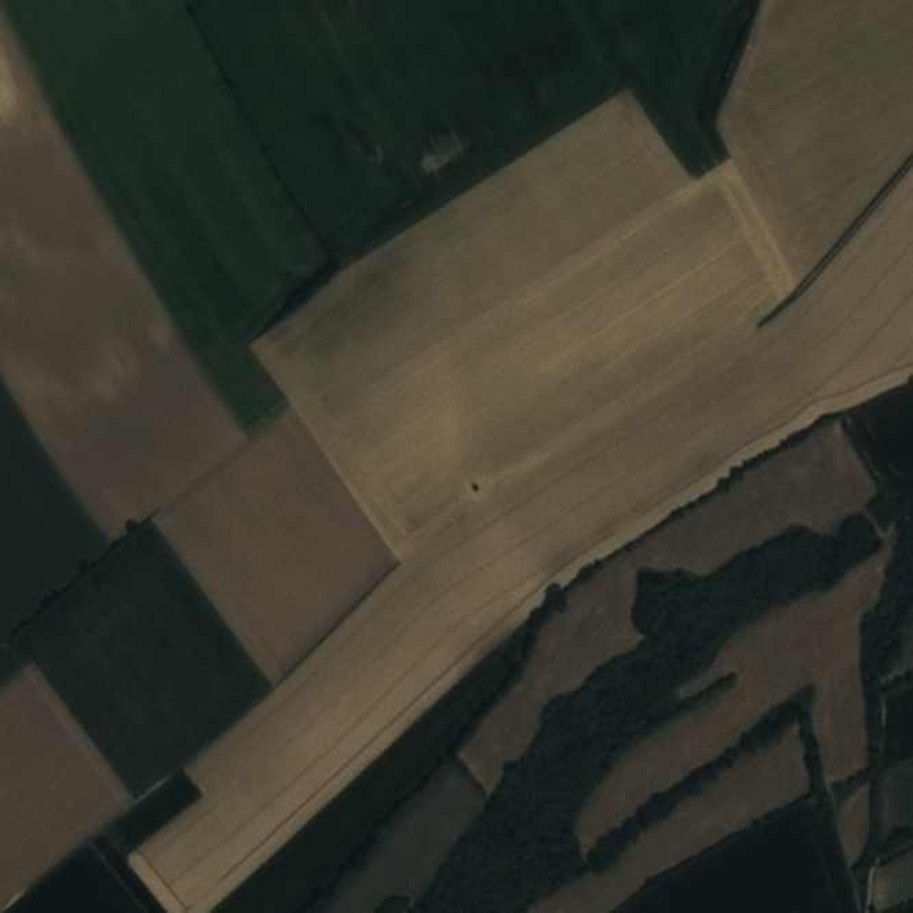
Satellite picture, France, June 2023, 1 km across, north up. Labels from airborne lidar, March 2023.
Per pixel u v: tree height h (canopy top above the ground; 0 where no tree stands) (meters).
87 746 0
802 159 0
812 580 11
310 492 0
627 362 0
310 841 0
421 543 0
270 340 0
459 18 0
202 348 0
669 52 0
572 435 0
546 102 0
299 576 0
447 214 0
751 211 0
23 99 0
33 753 0
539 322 0
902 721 0
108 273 0
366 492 0
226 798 0
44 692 0
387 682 0
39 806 0
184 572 0
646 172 0
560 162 0
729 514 0
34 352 0
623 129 0
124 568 0
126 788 0
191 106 0
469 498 0
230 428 0
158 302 0
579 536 0
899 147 0
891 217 0
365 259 0
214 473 0
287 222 0
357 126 0
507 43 0
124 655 0
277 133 0
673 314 0
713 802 0
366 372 0
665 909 0
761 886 0
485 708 13
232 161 0
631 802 0
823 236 0
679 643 9
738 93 0
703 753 0
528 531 0
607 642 0
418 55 0
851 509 0
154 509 0
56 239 0
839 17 0
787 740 0
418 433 0
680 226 0
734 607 8
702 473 0
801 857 0
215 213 0
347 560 0
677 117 0
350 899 0
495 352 0
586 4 0
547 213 0
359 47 0
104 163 0
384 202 0
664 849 0
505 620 0
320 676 0
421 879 0
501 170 0
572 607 0
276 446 0
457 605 0
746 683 0
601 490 0
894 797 0
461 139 0
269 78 0
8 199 0
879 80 0
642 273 0
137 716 0
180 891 0
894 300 0
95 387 0
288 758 0
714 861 0
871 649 7
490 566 0
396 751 0
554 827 6
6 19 0
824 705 0
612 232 0
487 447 0
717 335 0
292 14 0
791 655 0
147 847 0
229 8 0
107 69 0
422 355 0
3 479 0
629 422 0
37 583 0
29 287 0
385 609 0
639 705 7
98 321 0
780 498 0
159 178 0
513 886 7
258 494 0
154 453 0
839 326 0
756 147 0
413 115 0
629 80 0
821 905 0
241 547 0
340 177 0
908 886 0
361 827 0
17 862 0
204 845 0
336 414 0
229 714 0
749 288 0
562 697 7
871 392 0
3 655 0
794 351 0
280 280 0
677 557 0
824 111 0
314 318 0
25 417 0
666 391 0
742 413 0
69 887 0
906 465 0
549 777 8
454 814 0
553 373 0
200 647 0
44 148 0
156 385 0
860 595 0
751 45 0
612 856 20
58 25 0
